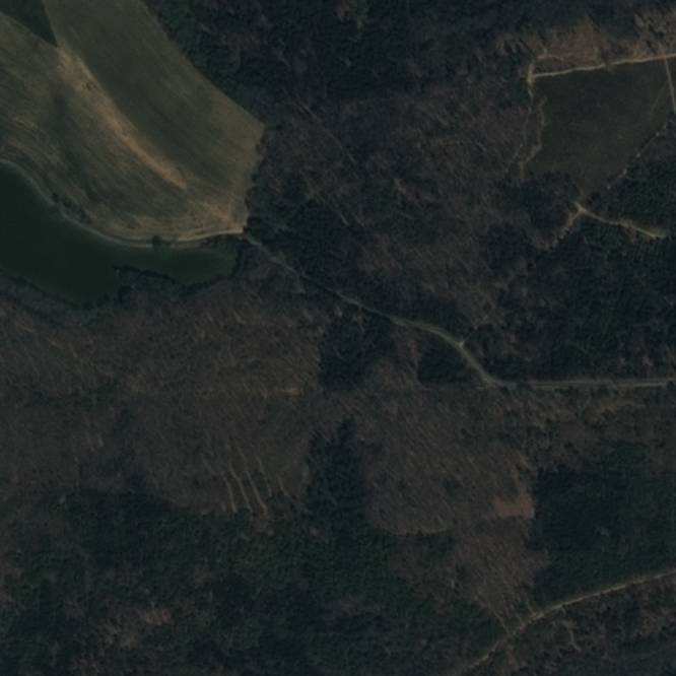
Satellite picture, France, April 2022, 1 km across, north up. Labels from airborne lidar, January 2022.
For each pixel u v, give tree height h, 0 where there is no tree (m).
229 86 16
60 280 0
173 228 0
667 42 37
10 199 0
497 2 16
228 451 25
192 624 11
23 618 11
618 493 19
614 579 15
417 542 7
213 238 0
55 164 0
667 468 9
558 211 18
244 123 0
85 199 0
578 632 12
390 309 20
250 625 7
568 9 33
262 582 12
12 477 14
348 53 19
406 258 22
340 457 23
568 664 11
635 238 6
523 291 19
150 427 19
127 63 0
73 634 13
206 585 8
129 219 0
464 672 18
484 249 18
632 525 14
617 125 0
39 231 0
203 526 12
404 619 8
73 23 0
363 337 20
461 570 18
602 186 0
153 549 8
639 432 14
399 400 25
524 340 13
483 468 25
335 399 23
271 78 22
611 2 27
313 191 22
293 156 21
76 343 16
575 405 10
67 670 13
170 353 8
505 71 27
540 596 21
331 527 8
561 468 7
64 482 10
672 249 9
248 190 0
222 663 13
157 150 0
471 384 21
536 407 27
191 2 12
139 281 21
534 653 10
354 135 22
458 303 17
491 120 22
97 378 17
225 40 13
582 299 12
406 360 21
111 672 8
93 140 0
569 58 0
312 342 22
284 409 15
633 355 6
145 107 0
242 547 12
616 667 13
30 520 10
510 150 20
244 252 9
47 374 17
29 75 0
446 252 22
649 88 0
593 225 9
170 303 12
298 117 22
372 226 21
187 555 13
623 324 9
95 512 9
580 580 15
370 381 21
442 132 25
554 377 14
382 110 22
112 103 0
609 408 29
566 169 0
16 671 15
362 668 17
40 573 14
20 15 0
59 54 0
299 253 26
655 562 17
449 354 11
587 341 13
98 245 0
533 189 18
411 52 19
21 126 0
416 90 19
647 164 13
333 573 13
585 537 21
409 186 20
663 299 11
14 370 22
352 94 15
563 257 13
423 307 18
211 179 0
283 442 18
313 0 23
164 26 18
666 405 10
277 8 14
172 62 0
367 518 19
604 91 0
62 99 0
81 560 14
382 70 15
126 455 19
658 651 14
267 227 25
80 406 16
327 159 20
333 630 10
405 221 21
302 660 12
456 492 31
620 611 10
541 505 15
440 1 15
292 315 22
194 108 0
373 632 23
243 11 22
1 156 0
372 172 20
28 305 29
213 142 0
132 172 0
